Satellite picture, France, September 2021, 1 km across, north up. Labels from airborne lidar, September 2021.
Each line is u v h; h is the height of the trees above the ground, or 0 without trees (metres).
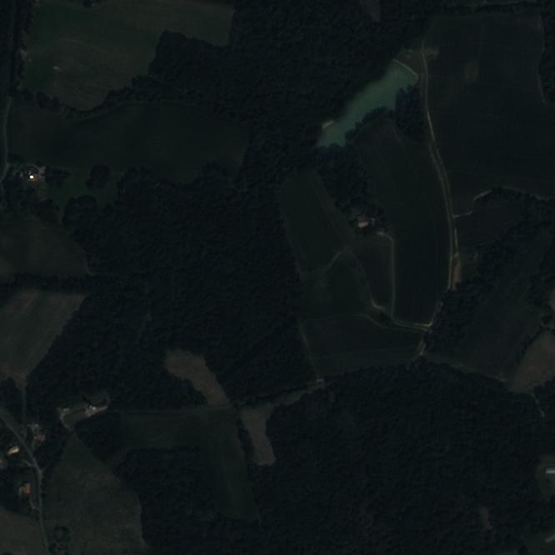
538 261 0
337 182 25
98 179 19
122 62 0
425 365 20
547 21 15
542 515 19
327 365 0
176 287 19
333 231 0
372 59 16
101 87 0
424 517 16
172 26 0
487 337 0
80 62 0
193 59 19
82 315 9
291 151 24
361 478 24
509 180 0
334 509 23
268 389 18
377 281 0
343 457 19
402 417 15
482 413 24
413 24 17
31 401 20
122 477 14
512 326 0
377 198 0
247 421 0
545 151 0
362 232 8
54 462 16
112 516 0
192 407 0
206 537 7
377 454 22
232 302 19
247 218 22
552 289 13
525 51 0
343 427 24
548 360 0
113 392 18
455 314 21
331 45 21
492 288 15
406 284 0
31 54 0
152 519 20
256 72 17
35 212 12
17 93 16
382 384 25
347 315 0
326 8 21
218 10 0
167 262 11
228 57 17
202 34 0
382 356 0
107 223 15
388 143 0
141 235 18
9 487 22
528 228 24
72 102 0
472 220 0
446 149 0
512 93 0
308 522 19
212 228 16
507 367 0
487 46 0
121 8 0
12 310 0
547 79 21
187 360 0
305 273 0
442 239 0
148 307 11
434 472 12
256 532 21
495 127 0
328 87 16
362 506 9
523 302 0
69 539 10
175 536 15
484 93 0
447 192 0
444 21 0
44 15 0
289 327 13
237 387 17
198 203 19
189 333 13
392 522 18
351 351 0
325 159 24
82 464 0
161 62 17
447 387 25
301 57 21
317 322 0
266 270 18
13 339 0
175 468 15
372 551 12
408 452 17
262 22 22
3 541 0
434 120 0
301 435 19
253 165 17
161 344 24
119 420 13
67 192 0
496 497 25
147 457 24
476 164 0
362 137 0
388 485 26
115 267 18
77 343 20
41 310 0
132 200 18
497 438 24
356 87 16
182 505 26
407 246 0
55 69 0
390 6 16
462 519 12
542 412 18
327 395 11
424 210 0
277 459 16
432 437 16
